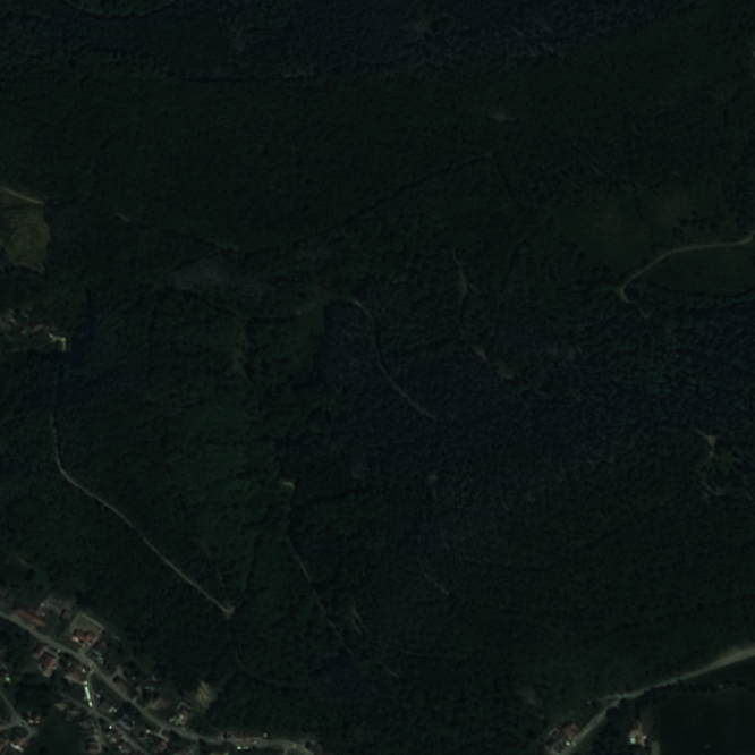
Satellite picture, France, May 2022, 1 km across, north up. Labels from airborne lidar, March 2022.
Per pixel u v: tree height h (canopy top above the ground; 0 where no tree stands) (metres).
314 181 21
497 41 27
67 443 22
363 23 25
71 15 14
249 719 18
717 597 16
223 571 12
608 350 27
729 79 8
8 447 22
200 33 14
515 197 25
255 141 16
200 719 0
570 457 17
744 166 26
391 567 18
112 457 21
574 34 20
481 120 16
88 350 26
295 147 16
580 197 28
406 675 14
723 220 13
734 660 0
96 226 25
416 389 31
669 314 7
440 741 19
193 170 20
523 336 19
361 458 28
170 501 19
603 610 15
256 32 9
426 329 18
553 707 19
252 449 27
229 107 13
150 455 22
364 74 18
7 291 13
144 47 13
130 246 17
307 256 25
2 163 13
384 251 21
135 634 19
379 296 36
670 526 18
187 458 28
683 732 0
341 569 19
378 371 28
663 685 0
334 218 23
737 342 28
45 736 0
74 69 23
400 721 20
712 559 20
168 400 23
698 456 13
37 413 18
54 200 19
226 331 24
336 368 31
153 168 18
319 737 15
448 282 15
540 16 35
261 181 17
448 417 22
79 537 19
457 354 16
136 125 17
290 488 0
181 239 18
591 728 0
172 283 24
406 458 30
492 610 17
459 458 32
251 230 22
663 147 21
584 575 15
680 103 16
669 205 0
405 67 20
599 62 25
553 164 15
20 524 23
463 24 21
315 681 25
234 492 33
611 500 20
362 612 10
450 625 16
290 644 25
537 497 12
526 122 17
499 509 13
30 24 18
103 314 28
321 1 27
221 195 20
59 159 23
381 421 25
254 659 14
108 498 23
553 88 20
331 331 27
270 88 13
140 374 15
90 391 32
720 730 0
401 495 16
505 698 15
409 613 20
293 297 24
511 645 19
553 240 23
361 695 29
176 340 26
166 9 15
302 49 25
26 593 0
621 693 12
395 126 18
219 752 0
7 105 21
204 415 23
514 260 18
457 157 16
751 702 0
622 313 22
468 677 10
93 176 23
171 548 20
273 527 19
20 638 13
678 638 14
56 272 22
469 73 17
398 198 23
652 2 19
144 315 20
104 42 15
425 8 24
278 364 26
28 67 17
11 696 0
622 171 26
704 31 19
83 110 26
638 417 17
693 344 25
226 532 29
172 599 16
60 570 21
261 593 25
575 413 23
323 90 15
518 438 29
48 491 17
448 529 18
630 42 22
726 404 25
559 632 16
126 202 17
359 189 24
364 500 18
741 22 22
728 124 20
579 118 21
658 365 23
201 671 20
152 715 0
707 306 10
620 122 22
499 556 11
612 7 25
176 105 17
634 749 11
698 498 20
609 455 16
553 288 26
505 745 20
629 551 19
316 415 29
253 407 24
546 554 15
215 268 25
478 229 13
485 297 12
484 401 23
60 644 0
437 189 19
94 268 26
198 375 29
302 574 16
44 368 25
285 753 0
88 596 20
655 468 16
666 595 16
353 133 18
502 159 21
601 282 23
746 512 17
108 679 0
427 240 17
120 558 23
